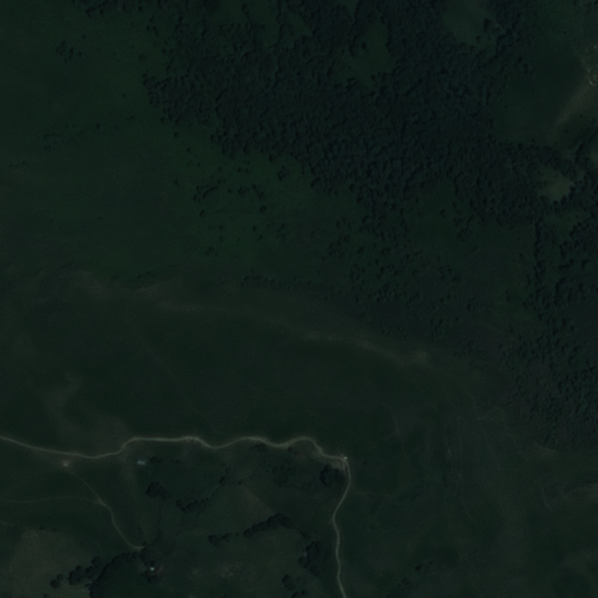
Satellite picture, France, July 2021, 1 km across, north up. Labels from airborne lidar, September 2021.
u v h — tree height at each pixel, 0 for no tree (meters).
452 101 34
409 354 0
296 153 18
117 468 0
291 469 8
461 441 0
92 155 0
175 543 0
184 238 0
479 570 0
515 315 0
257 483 0
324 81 19
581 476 0
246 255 0
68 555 0
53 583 10
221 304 0
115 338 0
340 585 0
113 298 0
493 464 0
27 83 0
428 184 17
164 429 0
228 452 0
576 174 15
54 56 0
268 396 0
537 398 10
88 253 0
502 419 0
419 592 0
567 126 0
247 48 11
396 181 24
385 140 17
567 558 0
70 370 0
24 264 0
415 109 22
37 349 0
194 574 0
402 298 12
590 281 0
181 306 0
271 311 0
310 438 0
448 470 0
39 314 0
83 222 0
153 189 0
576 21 0
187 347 0
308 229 0
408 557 0
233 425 0
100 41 0
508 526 0
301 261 0
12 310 0
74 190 0
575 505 0
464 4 0
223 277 0
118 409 0
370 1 23
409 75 22
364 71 0
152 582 15
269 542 0
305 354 0
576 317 0
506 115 0
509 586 0
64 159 0
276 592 0
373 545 0
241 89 21
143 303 0
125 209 0
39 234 0
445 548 0
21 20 0
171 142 0
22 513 0
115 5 13
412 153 17
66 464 0
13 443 0
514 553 0
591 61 0
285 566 0
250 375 0
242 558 0
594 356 0
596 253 17
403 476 0
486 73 16
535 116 0
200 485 0
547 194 0
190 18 14
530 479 0
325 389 0
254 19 11
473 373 0
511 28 11
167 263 0
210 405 0
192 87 10
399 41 21
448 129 24
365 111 30
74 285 0
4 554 0
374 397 0
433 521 0
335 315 0
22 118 0
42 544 0
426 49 30
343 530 0
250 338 0
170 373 0
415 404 0
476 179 6
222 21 0
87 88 0
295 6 20
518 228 12
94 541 0
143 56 8
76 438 0
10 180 0
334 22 24
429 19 17
